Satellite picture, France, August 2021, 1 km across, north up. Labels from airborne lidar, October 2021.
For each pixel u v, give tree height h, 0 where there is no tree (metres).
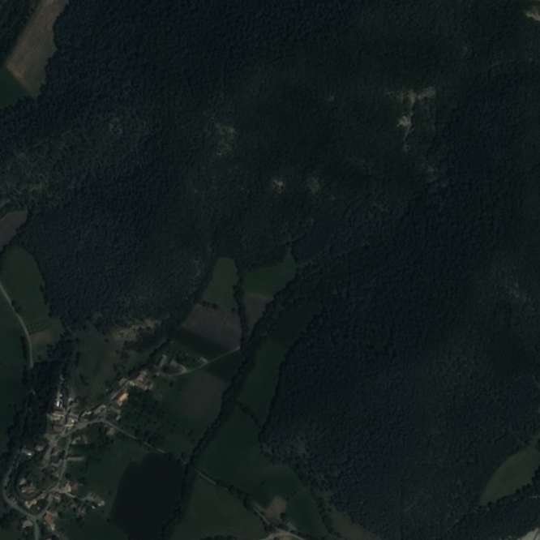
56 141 18
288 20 23
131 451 0
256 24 25
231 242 12
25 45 0
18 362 0
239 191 9
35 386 15
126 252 12
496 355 18
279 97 12
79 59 26
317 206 15
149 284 9
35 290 0
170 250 10
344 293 15
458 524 12
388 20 15
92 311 9
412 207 27
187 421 0
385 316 21
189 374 0
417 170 14
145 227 21
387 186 15
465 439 17
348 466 16
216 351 0
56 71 16
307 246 19
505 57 11
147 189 23
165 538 13
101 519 0
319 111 14
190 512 0
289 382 19
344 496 8
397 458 17
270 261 16
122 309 7
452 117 18
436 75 14
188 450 0
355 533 0
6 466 23
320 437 11
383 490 13
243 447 0
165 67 11
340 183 17
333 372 18
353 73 14
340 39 15
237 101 9
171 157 14
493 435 17
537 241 16
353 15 20
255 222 12
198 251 14
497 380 21
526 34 10
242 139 11
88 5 21
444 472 14
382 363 17
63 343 13
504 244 16
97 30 19
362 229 17
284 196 10
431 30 19
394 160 16
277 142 12
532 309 9
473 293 14
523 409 17
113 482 0
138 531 0
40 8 0
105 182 25
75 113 16
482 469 21
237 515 0
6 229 0
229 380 0
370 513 8
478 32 18
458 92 11
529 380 18
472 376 9
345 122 20
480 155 21
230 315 0
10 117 26
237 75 17
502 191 21
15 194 17
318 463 16
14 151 20
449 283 27
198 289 7
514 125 14
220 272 0
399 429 20
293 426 15
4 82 0
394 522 10
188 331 0
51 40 0
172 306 8
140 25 17
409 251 20
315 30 16
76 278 10
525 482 0
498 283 13
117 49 24
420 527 11
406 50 25
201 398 0
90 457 6
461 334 15
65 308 13
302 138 17
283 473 0
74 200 21
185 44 14
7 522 20
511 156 16
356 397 17
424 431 13
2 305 0
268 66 14
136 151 7
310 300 16
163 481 0
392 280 24
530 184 13
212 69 14
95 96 28
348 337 26
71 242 9
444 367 19
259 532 0
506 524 12
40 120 26
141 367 8
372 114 13
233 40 16
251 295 0
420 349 19
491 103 20
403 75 17
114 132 11
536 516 8
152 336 8
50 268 11
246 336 12
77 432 7
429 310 26
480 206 23
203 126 8
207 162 10
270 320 15
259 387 0
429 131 8
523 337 12
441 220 24
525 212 14
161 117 13
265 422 0
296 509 0
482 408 24
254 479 0
